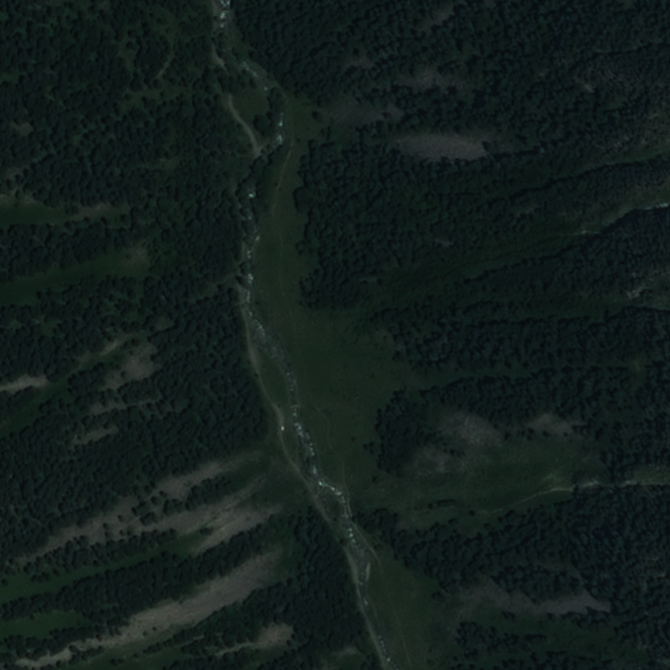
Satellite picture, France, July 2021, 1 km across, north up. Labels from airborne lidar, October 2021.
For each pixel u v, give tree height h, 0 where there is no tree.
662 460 19
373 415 0
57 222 0
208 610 0
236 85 20
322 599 31
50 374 31
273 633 0
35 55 34
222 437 32
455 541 21
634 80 12
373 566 0
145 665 0
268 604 18
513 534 27
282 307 0
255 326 0
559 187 33
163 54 10
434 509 14
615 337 13
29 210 0
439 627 0
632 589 23
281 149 14
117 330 35
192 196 13
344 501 0
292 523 12
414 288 5
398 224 29
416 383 0
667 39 17
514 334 23
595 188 11
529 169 20
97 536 0
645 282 8
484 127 25
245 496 0
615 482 11
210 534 15
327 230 18
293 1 21
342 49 26
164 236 14
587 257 25
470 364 19
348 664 0
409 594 0
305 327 0
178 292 24
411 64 25
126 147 25
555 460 0
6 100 35
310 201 19
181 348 26
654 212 10
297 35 24
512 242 6
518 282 24
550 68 8
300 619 26
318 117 23
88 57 17
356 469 0
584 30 24
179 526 0
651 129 7
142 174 21
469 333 21
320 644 18
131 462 31
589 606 0
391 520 12
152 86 37
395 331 10
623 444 25
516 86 17
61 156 25
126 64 28
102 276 0
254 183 18
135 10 12
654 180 17
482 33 10
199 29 8
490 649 8
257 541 33
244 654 15
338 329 0
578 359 31
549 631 0
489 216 23
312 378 0
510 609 0
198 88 13
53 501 29
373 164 8
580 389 9
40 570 25
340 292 19
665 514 25
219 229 22
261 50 18
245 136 0
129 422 20
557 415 8
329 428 0
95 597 22
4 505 28
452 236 18
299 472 0
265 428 29
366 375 0
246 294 0
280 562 0
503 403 30
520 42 6
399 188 22
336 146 21
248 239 10
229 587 0
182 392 28
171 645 16
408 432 16
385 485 0
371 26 9
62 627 0
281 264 0
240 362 15
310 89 32
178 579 19
